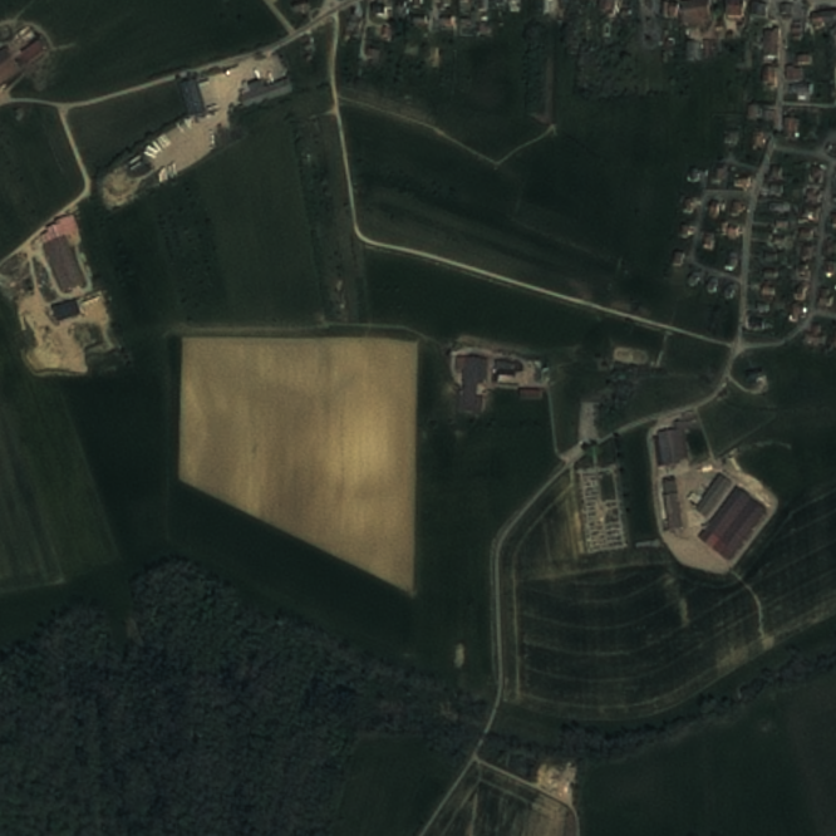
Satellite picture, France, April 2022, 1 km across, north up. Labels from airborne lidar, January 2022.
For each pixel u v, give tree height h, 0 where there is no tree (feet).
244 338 0
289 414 0
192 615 53
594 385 0
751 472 0
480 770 0
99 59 0
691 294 0
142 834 57
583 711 0
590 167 0
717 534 0
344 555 0
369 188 0
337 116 0
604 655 0
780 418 0
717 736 0
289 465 0
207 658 67
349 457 0
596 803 0
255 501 0
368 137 0
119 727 59
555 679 0
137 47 0
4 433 0
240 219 0
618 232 0
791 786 0
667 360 0
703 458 0
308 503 0
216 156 0
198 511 0
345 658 79
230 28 0
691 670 0
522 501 0
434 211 0
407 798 0
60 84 0
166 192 0
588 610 0
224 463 0
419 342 0
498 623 0
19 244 0
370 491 0
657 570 0
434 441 0
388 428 0
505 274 0
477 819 0
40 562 0
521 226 0
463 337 0
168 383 0
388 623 0
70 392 0
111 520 0
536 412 0
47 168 0
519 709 0
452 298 0
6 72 0
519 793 0
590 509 0
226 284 0
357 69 0
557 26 0
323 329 0
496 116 0
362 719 52
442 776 0
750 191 0
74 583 0
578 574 0
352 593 0
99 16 0
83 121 0
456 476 0
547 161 0
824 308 0
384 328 0
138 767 68
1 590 0
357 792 0
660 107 0
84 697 63
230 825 72
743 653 0
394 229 0
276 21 0
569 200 0
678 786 0
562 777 0
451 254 0
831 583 0
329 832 40
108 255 0
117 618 0
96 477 0
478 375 0
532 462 0
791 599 0
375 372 0
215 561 0
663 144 0
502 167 0
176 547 0
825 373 0
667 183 0
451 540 0
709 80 0
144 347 0
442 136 0
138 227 0
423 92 0
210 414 0
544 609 0
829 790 0
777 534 0
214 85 0
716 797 0
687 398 0
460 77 0
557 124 0
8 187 0
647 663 0
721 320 56
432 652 0
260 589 0
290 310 0
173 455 0
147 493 0
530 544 0
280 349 0
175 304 0
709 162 0
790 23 0
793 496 0
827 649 0
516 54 0
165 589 61
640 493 0
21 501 0
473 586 0
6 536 0
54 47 0
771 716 0
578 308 0
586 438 0
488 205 0
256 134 0
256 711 71
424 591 0
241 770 60
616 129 0
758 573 0
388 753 0
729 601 0
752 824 0
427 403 0
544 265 0
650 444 0
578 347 0
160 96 0
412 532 0
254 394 0
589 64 34
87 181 0
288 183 0
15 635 0
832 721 0
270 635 41
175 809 72
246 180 0
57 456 0
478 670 0
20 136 0
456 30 0
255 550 0
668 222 0
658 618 0
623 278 0
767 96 0
